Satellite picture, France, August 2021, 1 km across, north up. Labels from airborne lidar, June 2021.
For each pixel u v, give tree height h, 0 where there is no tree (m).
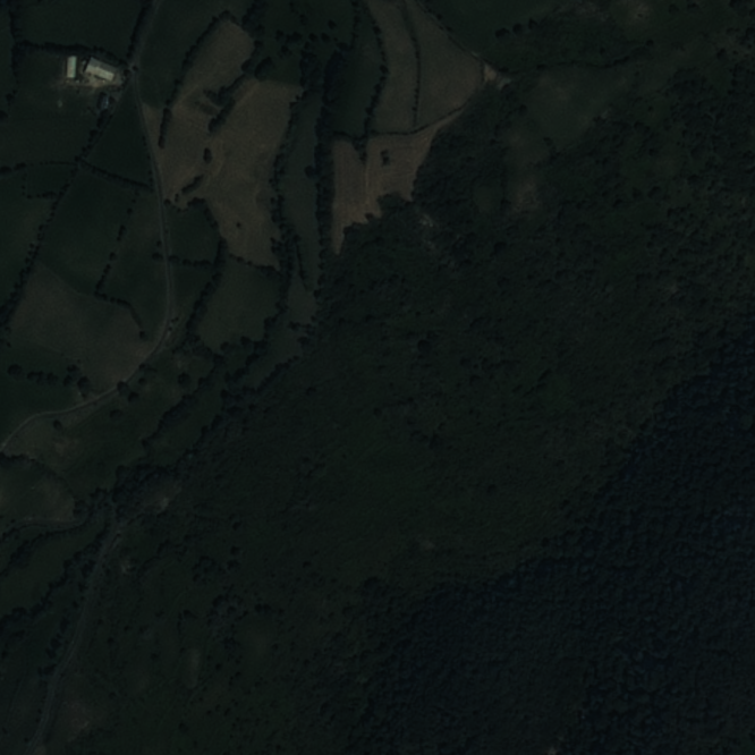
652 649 27
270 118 0
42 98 0
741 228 17
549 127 0
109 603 9
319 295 12
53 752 0
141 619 0
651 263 6
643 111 0
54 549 0
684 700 28
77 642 0
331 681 17
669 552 26
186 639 0
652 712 8
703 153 16
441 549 6
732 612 17
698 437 37
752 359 22
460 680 24
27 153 0
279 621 7
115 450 0
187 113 0
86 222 0
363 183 0
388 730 13
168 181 0
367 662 23
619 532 24
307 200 0
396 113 0
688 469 28
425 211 7
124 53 0
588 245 13
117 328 0
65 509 0
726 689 21
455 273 15
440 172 11
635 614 31
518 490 6
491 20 0
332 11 0
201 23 0
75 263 0
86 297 0
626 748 25
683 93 13
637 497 29
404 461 0
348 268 6
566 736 23
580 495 11
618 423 12
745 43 13
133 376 0
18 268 0
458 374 0
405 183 0
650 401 21
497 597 15
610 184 14
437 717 16
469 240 19
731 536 19
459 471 6
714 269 8
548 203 0
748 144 13
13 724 0
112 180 8
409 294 13
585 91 0
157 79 0
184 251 0
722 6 0
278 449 0
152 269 0
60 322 0
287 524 7
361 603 6
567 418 8
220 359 15
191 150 0
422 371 7
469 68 0
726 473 32
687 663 25
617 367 6
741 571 22
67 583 14
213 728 0
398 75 0
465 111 0
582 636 23
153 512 9
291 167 0
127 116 0
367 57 0
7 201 0
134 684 0
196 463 7
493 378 10
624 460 15
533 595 25
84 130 0
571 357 6
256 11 17
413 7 0
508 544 9
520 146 0
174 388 0
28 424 0
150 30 0
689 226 11
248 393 11
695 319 7
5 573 8
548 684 19
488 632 19
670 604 29
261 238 0
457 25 0
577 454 7
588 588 27
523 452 6
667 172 0
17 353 0
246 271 0
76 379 11
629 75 0
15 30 14
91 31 0
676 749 20
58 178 0
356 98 0
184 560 11
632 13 0
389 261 0
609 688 30
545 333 6
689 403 34
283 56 16
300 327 7
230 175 0
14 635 21
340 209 0
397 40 0
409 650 25
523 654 22
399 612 9
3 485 0
